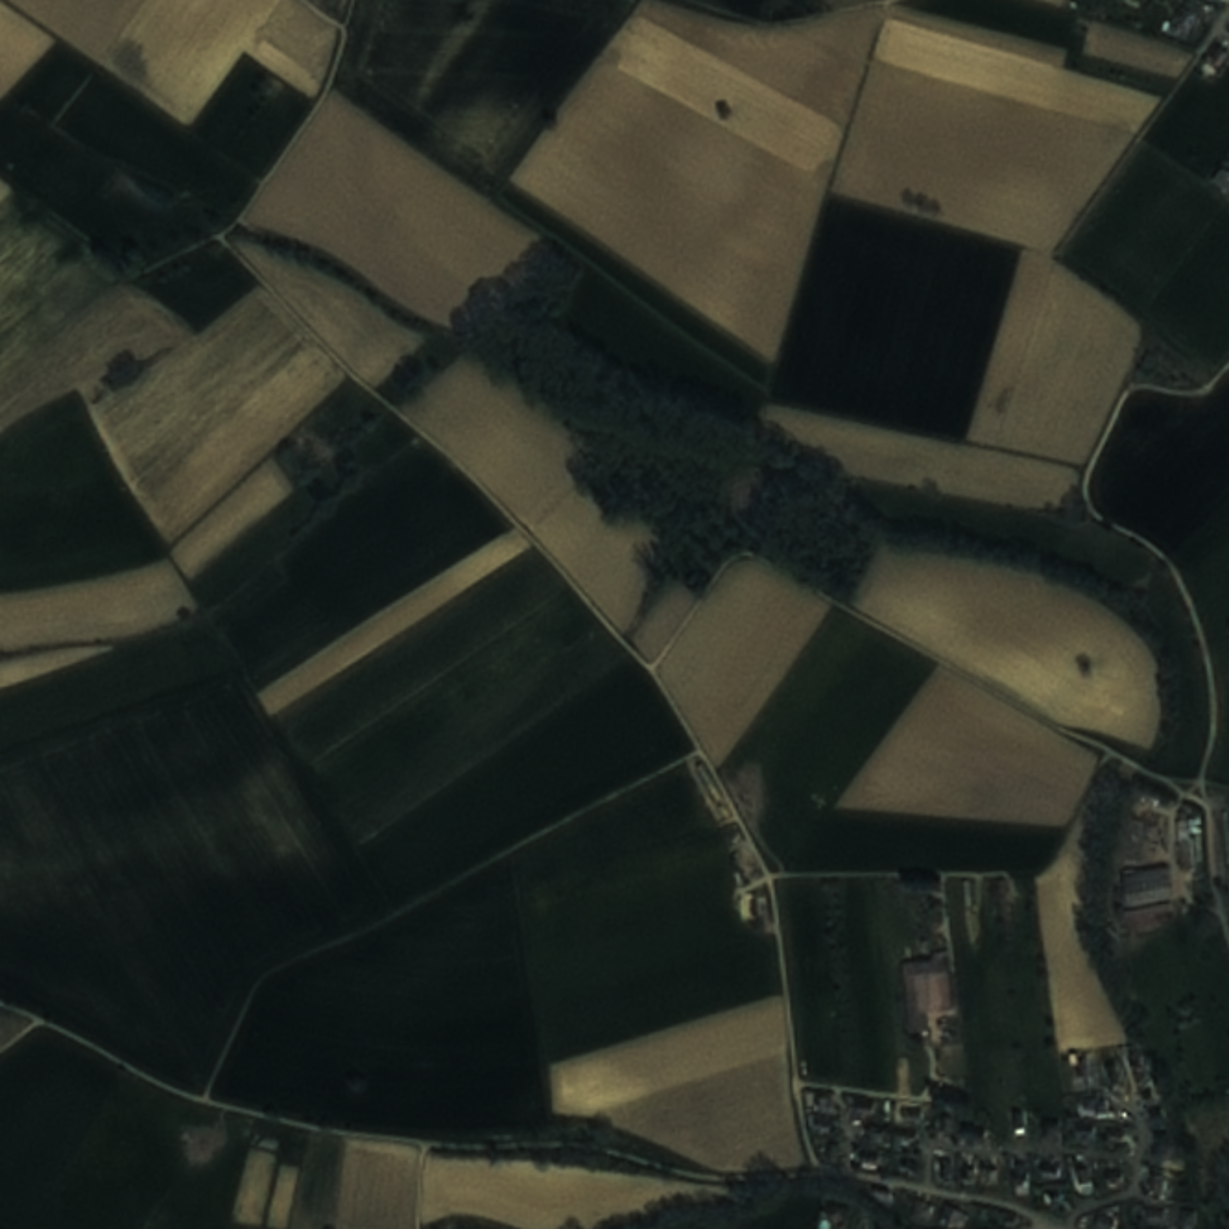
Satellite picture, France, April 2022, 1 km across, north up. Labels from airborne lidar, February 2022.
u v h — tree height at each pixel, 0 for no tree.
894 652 0
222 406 0
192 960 0
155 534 0
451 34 0
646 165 0
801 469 17
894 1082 0
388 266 0
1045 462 0
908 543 19
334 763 0
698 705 0
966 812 0
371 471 0
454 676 0
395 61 0
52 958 0
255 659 0
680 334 0
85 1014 0
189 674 0
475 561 0
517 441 0
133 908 0
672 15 0
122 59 0
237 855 0
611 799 0
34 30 0
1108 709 0
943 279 0
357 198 0
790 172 0
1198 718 0
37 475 0
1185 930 0
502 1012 0
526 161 0
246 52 0
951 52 0
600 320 0
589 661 0
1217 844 0
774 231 0
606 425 25
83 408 0
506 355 40
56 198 0
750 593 0
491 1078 0
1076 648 0
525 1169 0
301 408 0
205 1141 0
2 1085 0
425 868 0
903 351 0
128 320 0
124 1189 0
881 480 0
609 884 0
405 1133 0
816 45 0
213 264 0
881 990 0
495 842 0
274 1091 0
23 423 0
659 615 0
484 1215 0
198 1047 0
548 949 0
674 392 38
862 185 0
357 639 0
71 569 0
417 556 0
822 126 0
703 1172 0
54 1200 0
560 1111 0
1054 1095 0
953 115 0
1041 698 0
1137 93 0
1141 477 0
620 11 0
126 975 0
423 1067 0
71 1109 0
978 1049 0
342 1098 0
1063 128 0
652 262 0
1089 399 0
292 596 0
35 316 0
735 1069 0
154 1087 0
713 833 0
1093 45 0
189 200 0
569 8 0
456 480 0
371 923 0
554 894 0
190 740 0
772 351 0
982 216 0
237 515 0
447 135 0
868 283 0
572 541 0
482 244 0
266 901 0
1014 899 0
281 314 0
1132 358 0
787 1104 0
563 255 21
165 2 0
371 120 0
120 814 0
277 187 0
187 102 0
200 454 0
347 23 0
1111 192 0
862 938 0
